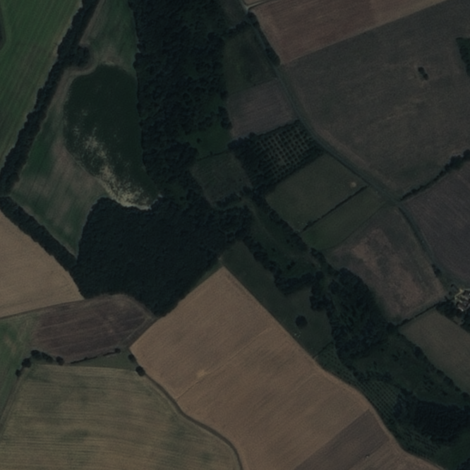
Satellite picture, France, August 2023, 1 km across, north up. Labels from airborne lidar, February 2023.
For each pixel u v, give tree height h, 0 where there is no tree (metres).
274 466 0
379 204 0
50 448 0
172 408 0
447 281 0
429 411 25
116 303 0
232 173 0
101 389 0
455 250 0
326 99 0
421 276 0
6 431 0
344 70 0
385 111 0
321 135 0
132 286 20
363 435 0
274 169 8
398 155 0
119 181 0
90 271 17
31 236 12
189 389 0
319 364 0
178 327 0
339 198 0
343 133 0
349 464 0
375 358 0
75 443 0
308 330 0
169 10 20
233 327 0
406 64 0
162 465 0
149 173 13
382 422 0
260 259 22
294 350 0
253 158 25
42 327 0
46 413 0
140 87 9
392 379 25
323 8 0
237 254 0
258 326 0
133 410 0
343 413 0
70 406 0
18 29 0
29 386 0
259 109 0
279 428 0
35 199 0
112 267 19
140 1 28
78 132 0
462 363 0
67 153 0
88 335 0
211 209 18
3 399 0
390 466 0
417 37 0
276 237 0
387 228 0
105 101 0
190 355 0
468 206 0
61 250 20
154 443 0
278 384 0
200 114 8
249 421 0
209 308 0
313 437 0
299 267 0
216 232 28
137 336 0
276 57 17
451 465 0
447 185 0
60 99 0
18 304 0
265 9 0
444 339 0
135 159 0
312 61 0
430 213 0
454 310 13
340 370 0
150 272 27
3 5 0
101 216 21
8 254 0
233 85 0
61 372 0
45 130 0
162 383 0
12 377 0
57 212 0
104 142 0
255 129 0
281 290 16
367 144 0
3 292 0
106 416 0
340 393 0
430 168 0
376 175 0
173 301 23
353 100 0
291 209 0
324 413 0
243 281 0
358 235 0
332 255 0
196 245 22
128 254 26
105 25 0
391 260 0
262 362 0
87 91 0
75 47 16
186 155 20
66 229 0
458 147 0
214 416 0
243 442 0
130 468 0
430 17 0
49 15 0
